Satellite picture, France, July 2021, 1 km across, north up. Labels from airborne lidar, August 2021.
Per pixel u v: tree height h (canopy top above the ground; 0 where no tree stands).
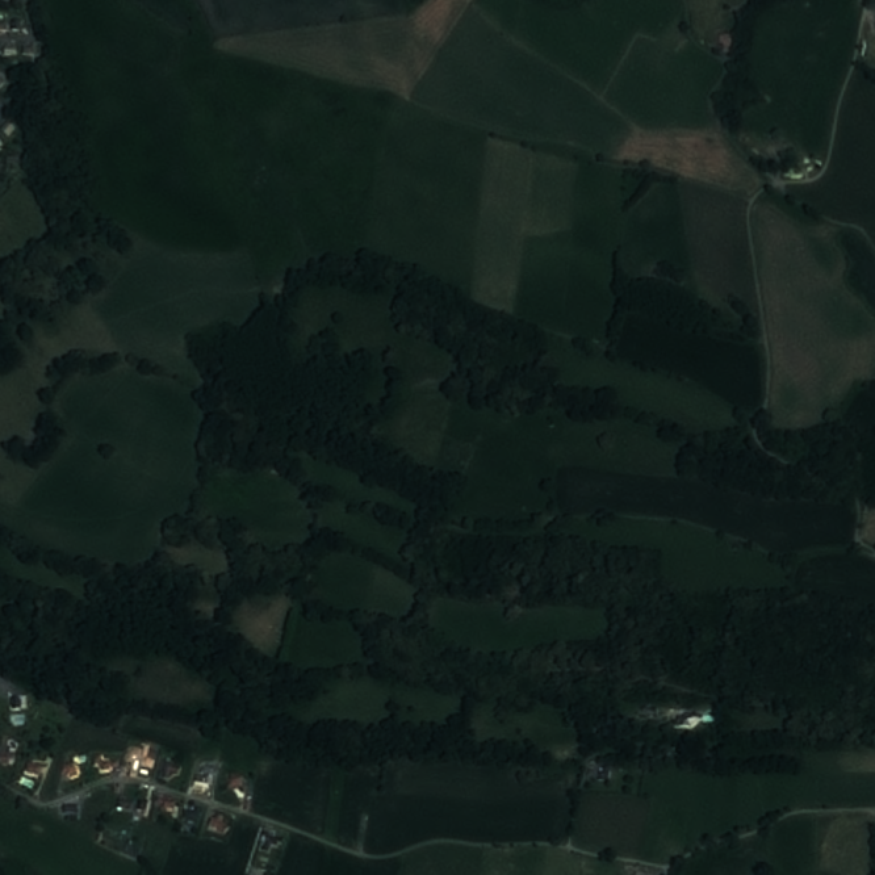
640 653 23
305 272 13
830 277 0
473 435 0
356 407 27
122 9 0
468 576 12
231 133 0
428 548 19
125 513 0
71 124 13
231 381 21
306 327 0
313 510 19
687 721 0
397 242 0
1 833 0
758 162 13
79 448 0
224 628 21
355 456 28
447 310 14
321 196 0
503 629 0
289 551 17
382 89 0
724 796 0
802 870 0
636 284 18
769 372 0
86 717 22
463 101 0
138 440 0
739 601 19
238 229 0
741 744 21
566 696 16
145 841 0
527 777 11
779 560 11
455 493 25
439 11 0
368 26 0
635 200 12
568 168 0
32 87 9
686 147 0
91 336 0
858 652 19
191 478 0
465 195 0
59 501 0
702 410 0
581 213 0
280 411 24
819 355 0
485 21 0
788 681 22
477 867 0
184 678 0
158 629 37
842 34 0
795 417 0
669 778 0
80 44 0
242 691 13
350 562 0
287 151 0
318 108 0
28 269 15
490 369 19
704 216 0
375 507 15
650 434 0
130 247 15
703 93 0
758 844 0
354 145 0
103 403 0
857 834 0
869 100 0
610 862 12
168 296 0
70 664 22
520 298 0
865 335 0
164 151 0
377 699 0
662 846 0
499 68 0
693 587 0
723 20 0
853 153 0
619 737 23
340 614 11
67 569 23
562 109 0
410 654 24
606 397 21
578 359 0
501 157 0
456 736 19
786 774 22
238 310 0
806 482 22
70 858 0
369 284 15
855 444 19
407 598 0
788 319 0
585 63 0
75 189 9
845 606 16
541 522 17
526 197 0
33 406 0
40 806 0
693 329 23
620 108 0
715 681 20
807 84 0
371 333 0
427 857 0
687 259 0
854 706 19
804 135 0
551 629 0
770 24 0
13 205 0
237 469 23
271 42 0
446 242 0
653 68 0
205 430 16
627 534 0
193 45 0
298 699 25
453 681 19
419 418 0
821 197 0
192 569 16
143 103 0
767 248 0
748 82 7
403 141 0
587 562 22
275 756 20
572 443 0
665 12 0
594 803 0
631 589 26
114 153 0
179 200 0
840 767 0
